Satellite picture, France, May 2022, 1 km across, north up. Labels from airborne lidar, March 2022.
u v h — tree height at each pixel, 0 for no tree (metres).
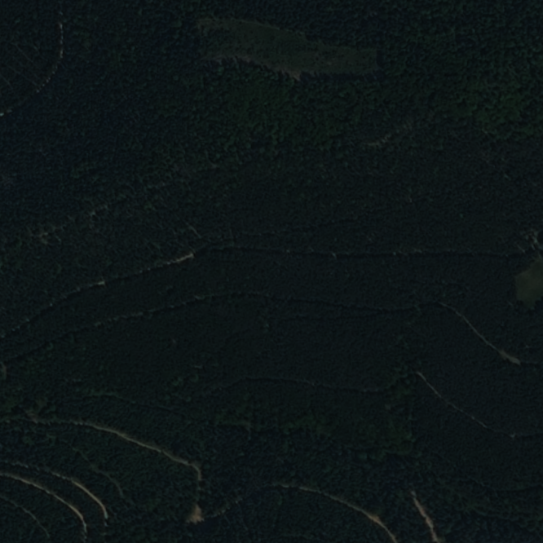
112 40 23
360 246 20
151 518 21
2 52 8
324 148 15
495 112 20
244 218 15
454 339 18
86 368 13
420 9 24
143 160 22
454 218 18
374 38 26
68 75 20
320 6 24
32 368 15
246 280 17
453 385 23
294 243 20
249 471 14
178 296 16
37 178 22
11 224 21
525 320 21
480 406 20
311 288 20
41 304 18
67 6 22
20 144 25
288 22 22
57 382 14
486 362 20
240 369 20
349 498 8
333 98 19
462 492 32
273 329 20
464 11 24
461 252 18
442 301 21
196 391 18
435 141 24
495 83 10
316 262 21
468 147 23
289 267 18
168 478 11
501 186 18
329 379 15
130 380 16
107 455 8
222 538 18
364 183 21
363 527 11
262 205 19
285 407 20
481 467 21
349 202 18
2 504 15
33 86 12
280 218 18
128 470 7
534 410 18
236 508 12
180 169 16
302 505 10
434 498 32
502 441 17
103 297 14
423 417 21
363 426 18
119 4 22
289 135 13
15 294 17
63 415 10
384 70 23
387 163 22
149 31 22
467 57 24
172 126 21
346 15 24
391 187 17
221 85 21
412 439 17
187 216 21
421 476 11
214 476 23
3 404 25
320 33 21
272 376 18
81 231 18
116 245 18
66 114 22
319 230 20
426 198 16
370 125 14
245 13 19
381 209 15
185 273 16
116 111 20
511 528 19
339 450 26
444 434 19
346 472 10
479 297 18
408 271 21
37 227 13
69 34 20
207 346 15
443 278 20
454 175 20
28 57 15
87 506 18
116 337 13
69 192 22
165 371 14
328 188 19
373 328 21
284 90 20
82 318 16
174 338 18
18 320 12
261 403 20
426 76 20
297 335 21
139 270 11
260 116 21
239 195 17
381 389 17
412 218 24
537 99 19
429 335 19
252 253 20
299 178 17
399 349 25
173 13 23
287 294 20
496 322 20
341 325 24
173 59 21
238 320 16
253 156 16
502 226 19
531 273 0
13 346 17
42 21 23
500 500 27
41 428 12
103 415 14
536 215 22
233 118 20
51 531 13
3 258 15
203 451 23
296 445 19
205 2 23
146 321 16
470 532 29
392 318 22
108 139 24
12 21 23
